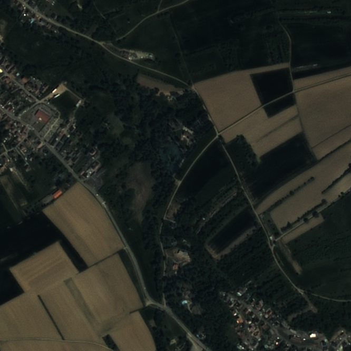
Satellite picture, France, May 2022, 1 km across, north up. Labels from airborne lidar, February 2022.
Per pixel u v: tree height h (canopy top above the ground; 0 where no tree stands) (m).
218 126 0
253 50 0
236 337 0
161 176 12
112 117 0
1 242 0
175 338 0
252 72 0
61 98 0
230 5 0
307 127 0
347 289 0
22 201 0
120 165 0
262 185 0
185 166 0
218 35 0
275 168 0
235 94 0
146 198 0
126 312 0
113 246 0
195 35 0
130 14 0
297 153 0
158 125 19
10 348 0
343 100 0
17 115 7
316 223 0
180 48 0
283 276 0
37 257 0
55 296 0
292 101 0
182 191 0
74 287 0
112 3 0
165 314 11
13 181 0
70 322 0
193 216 21
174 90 0
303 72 0
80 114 0
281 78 0
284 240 0
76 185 0
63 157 0
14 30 0
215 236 0
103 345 0
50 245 0
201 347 0
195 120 11
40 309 0
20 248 0
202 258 6
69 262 0
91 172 0
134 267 0
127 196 12
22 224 0
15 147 0
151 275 0
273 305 11
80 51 14
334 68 0
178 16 0
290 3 0
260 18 0
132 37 0
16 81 0
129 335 0
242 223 0
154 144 23
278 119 0
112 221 0
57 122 0
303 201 0
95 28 0
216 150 0
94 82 0
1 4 21
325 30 0
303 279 0
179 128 0
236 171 0
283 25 0
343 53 0
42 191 0
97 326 0
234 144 0
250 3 0
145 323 0
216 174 0
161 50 0
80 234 0
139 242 0
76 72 0
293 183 0
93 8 11
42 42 0
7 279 0
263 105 0
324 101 0
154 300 0
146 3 0
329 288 0
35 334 0
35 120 0
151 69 0
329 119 0
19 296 0
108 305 0
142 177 0
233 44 8
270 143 0
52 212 0
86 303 0
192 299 0
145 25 0
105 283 0
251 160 6
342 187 0
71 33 0
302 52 0
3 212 0
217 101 0
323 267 0
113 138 0
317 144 0
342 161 0
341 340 0
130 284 0
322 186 0
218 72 0
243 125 0
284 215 0
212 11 0
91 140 0
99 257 0
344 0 0
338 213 0
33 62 0
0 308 0
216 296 14
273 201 0
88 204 0
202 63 0
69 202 0
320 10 11
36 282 0
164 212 0
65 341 0
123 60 0
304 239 0
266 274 0
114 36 16
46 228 0
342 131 0
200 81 0
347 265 0
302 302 7
